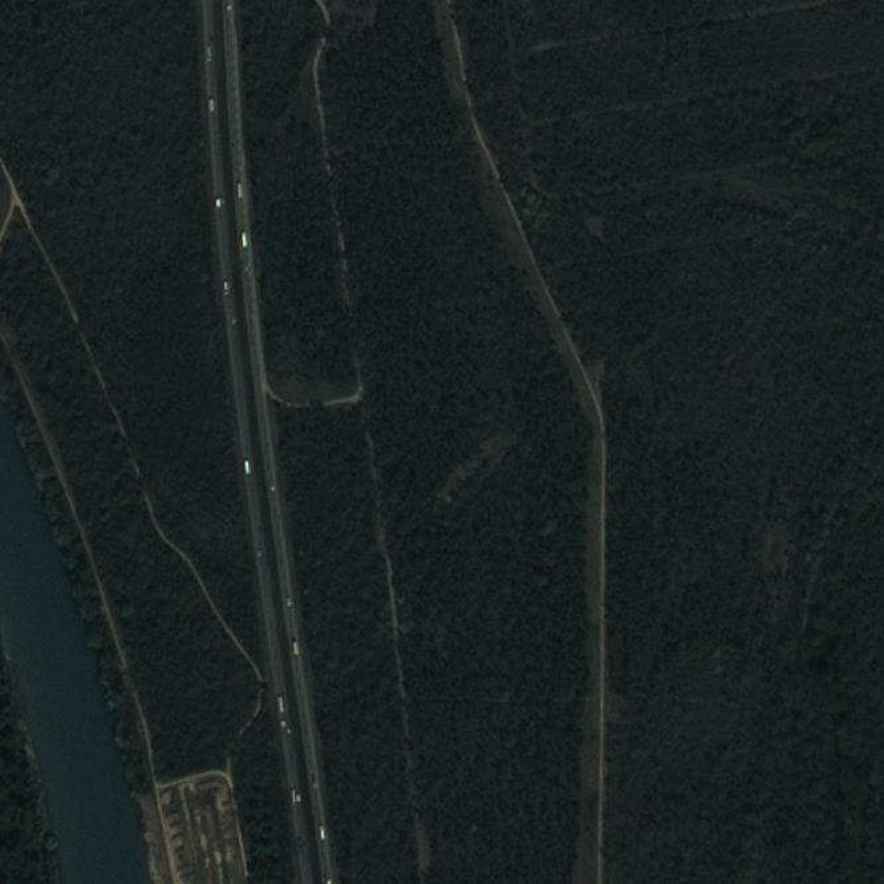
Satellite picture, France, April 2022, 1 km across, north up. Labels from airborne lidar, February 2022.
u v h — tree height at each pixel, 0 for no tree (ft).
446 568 63
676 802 55
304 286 51
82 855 0
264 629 0
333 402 0
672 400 59
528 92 42
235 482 30
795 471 33
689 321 35
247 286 0
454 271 40
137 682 46
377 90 60
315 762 0
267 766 30
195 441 47
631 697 43
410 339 55
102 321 40
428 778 52
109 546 24
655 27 58
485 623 51
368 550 43
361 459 52
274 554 0
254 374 0
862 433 35
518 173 44
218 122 0
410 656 52
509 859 44
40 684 0
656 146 19
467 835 43
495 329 34
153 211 36
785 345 44
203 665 47
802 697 58
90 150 33
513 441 0
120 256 18
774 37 19
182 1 38
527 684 49
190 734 41
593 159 36
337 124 55
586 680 40
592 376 0
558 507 62
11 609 0
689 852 52
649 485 53
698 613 46
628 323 46
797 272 49
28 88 27
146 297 45
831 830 30
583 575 44
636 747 54
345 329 49
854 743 51
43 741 0
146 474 52
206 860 0
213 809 0
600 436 0
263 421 0
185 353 42
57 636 0
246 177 0
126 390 42
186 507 39
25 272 26
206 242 25
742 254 40
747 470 27
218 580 35
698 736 0
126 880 0
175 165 36
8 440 0
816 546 28
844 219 0
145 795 58
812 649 56
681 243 25
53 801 0
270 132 0
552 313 0
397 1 49
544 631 44
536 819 53
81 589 78
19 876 54
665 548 40
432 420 46
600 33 34
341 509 49
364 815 52
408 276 52
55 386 43
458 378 42
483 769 45
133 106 31
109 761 0
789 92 45
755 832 47
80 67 42
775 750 63
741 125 52
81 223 35
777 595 0
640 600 53
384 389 45
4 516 0
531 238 52
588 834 0
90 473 49
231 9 0
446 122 56
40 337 43
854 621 51
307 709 0
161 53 33
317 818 0
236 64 0
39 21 55
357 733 60
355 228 52
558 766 40
